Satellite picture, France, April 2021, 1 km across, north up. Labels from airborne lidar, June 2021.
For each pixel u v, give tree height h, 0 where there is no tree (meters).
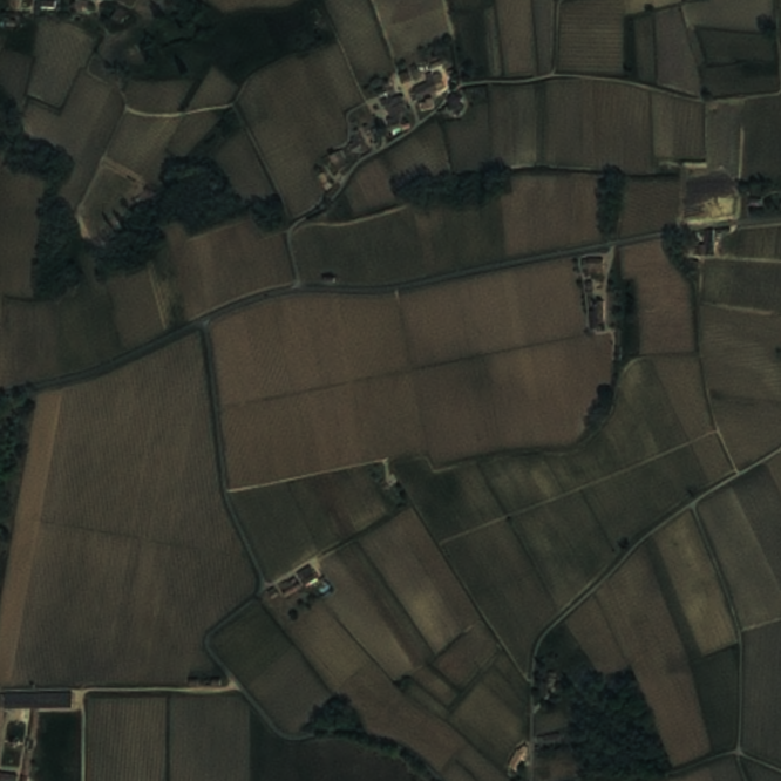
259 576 0
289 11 0
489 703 0
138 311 0
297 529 0
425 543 0
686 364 0
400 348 0
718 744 0
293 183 0
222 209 19
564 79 0
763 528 0
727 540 0
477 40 0
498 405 0
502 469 0
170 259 0
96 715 0
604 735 20
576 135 0
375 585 0
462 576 0
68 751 0
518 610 0
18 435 20
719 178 0
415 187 19
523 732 0
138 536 0
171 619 0
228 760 0
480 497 0
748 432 0
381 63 0
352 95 0
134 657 0
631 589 0
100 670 0
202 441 0
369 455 0
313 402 0
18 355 0
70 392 0
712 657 0
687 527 0
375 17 0
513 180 10
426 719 0
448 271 0
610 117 0
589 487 0
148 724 0
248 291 0
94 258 18
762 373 0
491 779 0
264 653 0
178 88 0
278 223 12
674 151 0
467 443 0
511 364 0
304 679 0
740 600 0
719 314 0
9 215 0
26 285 0
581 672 0
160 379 0
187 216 17
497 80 0
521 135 0
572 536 0
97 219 0
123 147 0
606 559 0
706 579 0
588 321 0
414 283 0
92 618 0
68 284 11
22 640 0
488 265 0
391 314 0
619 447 0
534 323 0
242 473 0
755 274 0
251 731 0
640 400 0
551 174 0
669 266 0
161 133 0
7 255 0
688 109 0
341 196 0
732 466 0
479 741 0
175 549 0
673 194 0
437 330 0
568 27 0
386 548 0
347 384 0
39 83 0
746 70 0
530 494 0
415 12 0
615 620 0
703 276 0
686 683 0
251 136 0
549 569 0
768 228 0
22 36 0
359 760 0
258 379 0
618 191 17
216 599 0
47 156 15
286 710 0
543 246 0
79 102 0
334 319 0
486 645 0
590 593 0
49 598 0
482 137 0
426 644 0
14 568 0
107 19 14
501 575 0
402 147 0
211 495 0
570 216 0
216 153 0
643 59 0
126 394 0
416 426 0
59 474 0
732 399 0
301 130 0
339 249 0
